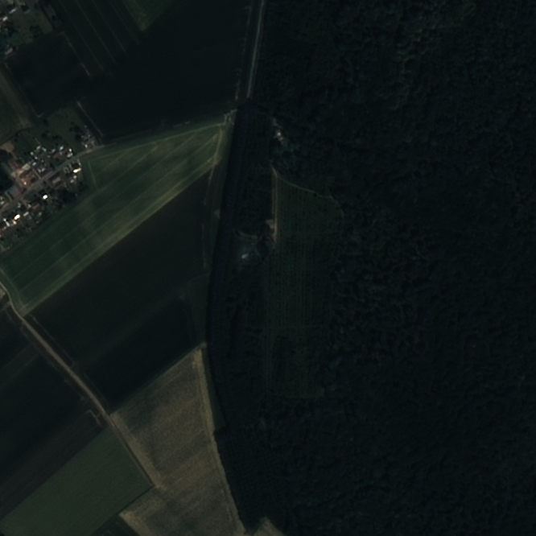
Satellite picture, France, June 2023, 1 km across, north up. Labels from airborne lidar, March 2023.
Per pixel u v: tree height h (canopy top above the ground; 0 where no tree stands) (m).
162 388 0
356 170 27
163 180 0
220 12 0
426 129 20
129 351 0
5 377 0
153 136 0
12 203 0
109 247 0
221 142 0
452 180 27
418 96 20
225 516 0
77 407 0
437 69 26
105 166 0
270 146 17
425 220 25
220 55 0
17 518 0
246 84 0
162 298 0
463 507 22
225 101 0
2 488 0
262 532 0
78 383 0
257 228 12
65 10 0
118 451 0
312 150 27
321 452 25
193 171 0
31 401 0
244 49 0
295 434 22
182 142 0
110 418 0
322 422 28
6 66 0
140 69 0
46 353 0
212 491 0
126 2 0
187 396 0
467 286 23
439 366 25
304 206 0
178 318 0
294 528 29
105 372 0
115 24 0
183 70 0
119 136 0
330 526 27
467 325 23
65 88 0
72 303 0
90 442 0
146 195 0
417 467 25
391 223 24
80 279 0
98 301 0
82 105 0
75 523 0
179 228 0
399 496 28
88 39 0
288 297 0
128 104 0
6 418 0
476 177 27
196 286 0
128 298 0
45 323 0
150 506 0
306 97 23
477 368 22
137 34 0
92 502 0
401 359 26
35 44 0
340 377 27
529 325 23
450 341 20
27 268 0
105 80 0
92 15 0
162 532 0
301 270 0
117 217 0
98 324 0
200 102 0
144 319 0
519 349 20
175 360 0
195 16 0
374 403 26
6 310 0
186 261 0
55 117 0
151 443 0
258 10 0
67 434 0
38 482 0
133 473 0
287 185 0
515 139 21
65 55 0
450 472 27
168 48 0
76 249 0
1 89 0
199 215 0
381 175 23
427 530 25
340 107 25
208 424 0
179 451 0
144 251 0
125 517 0
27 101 0
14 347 0
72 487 0
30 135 0
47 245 0
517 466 22
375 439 26
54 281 0
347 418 26
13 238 0
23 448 0
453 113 19
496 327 22
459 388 22
